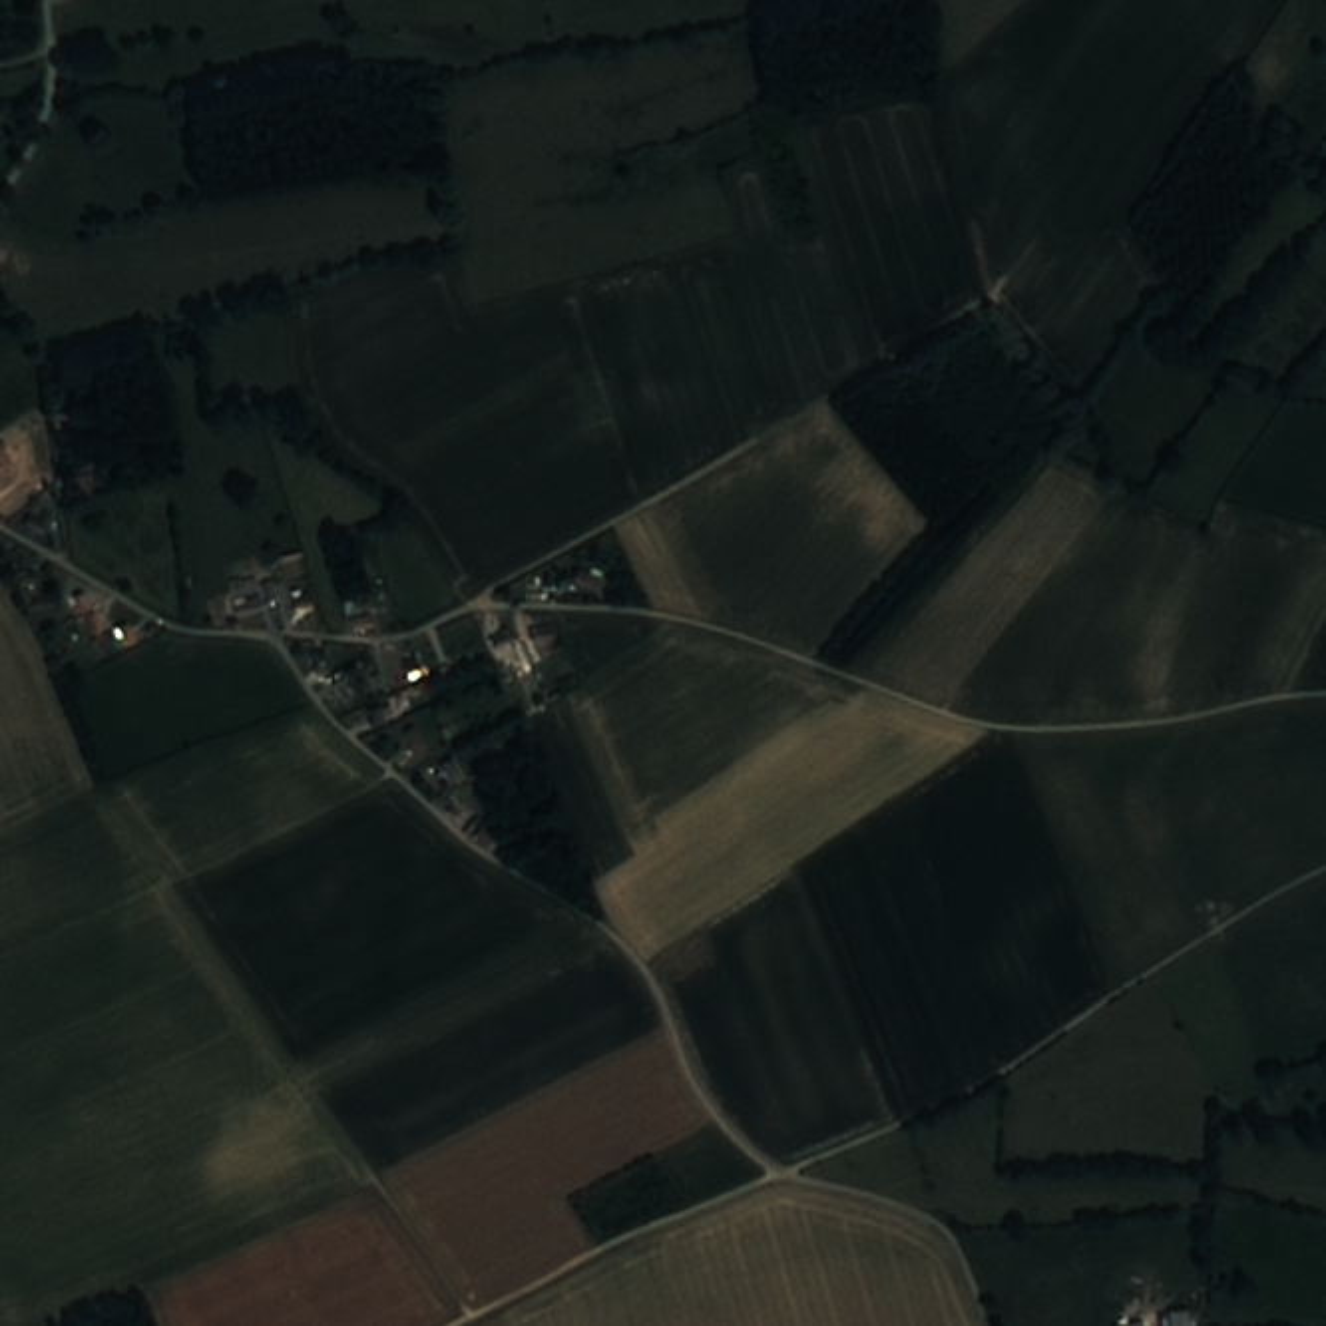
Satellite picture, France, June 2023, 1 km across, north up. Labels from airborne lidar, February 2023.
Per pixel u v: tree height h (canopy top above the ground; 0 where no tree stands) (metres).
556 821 19
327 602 0
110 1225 0
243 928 0
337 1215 0
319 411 0
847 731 0
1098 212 0
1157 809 0
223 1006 0
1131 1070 0
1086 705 0
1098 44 0
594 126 0
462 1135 0
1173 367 0
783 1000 0
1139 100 0
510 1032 0
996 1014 0
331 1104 0
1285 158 10
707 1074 0
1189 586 0
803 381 0
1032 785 0
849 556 0
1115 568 0
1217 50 0
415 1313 0
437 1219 0
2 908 0
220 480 0
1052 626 0
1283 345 0
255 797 0
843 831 0
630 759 0
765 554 0
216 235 0
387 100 34
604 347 0
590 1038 0
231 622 7
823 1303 0
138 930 0
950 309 0
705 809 0
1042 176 0
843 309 0
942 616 0
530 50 11
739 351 0
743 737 0
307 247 0
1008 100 0
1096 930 0
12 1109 0
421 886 0
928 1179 0
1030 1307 0
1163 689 0
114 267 0
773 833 0
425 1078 0
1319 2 0
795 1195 0
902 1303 0
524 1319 0
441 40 0
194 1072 0
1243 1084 0
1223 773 0
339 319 0
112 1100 0
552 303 0
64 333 0
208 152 30
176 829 0
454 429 0
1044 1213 0
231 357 0
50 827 0
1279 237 0
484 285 0
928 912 0
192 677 0
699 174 0
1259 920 0
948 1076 0
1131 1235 0
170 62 0
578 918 0
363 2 0
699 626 0
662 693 0
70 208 0
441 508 0
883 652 0
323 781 0
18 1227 0
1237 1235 0
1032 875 0
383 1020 0
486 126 0
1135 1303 0
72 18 0
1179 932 0
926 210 0
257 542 0
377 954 0
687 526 0
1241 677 0
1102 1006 0
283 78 36
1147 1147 0
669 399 0
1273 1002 0
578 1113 0
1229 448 0
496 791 26
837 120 0
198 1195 0
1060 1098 0
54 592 13
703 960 0
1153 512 0
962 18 0
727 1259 0
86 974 0
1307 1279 0
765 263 0
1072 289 0
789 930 0
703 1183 0
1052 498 0
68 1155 0
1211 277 18
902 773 0
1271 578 0
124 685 0
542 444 0
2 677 0
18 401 0
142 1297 16
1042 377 20
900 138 0
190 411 0
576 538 0
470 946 0
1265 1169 0
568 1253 0
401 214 0
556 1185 0
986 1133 0
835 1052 0
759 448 0
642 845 0
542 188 0
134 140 0
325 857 0
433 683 10
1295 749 0
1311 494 0
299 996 0
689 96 0
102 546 0
